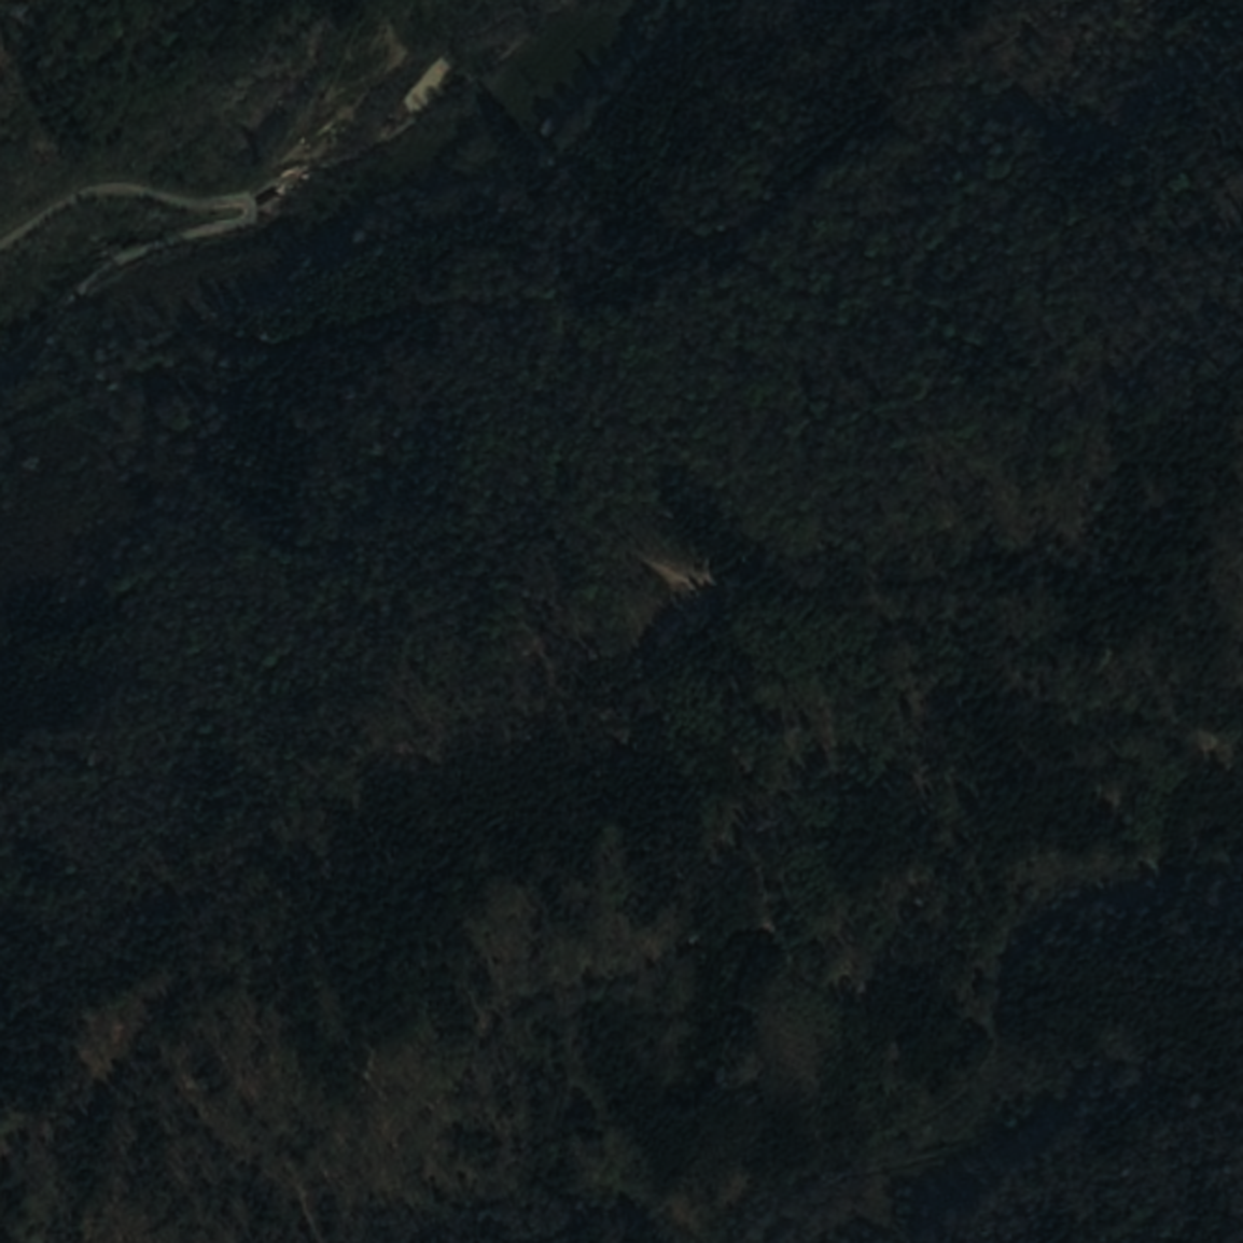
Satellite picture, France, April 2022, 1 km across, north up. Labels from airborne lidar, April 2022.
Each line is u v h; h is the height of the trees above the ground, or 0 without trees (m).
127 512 15
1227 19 13
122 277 15
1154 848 19
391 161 8
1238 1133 26
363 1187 34
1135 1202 26
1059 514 28
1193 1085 32
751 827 31
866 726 30
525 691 29
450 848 33
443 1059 31
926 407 30
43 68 36
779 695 35
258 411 27
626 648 32
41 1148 25
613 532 33
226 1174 34
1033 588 35
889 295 26
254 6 35
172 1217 35
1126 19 12
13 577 22
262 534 27
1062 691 23
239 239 6
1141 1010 22
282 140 30
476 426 28
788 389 30
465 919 38
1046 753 21
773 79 29
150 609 30
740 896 35
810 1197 24
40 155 13
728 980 17
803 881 34
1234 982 14
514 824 13
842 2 27
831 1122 21
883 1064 19
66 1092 26
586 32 0
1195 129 28
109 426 32
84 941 26
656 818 33
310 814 28
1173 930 33
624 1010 35
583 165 22
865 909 30
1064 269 28
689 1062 15
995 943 26
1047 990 22
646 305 29
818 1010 22
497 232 23
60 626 29
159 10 30
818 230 34
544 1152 32
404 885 51
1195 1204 26
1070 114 9
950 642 33
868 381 33
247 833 29
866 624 37
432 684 30
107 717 26
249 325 13
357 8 30
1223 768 23
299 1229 31
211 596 32
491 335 28
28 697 25
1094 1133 30
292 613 31
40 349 13
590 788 32
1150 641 32
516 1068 26
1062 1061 27
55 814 25
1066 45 10
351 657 27
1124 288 19
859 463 34
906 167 8
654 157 27
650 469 31
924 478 29
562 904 31
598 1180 24
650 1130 31
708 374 26
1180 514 27
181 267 6
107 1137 35
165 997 7
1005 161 33
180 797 29
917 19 24
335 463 26
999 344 25
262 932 32
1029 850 35
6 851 21
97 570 20
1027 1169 30
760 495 25
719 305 27
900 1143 22
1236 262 6
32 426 10
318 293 25
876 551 28
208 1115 36
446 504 25
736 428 31
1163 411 24
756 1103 25
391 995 46
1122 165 30
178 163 11
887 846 42
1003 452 32
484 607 26
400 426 25
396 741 31
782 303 29
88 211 20
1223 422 31
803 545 24
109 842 27
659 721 30
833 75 25
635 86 25
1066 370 28
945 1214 22
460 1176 34
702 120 23
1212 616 28
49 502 16
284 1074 37
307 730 23
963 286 28
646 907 31
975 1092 14
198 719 26
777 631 32
